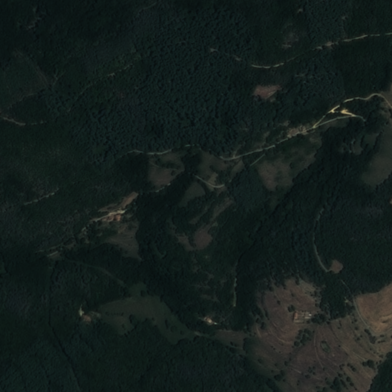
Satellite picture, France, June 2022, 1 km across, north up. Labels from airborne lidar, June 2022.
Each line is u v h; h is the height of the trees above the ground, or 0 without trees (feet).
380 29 28
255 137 33
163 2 40
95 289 64
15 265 84
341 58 55
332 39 85
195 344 49
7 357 56
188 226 33
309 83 93
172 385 46
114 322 0
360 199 45
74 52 18
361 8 48
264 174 0
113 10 56
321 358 0
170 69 108
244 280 73
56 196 55
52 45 31
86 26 38
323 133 49
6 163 36
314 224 35
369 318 0
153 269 34
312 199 39
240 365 52
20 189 44
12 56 50
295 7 66
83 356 76
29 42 59
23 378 82
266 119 87
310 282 18
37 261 61
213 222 22
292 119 80
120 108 70
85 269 45
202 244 0
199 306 46
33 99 25
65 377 80
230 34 118
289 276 21
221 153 87
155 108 117
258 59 37
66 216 31
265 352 0
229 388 36
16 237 28
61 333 50
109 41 33
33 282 33
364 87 48
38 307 19
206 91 105
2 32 67
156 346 57
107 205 35
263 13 60
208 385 46
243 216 50
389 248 31
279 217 69
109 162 95
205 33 96
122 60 31
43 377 85
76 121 101
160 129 75
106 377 82
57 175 41
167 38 117
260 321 27
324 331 0
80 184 59
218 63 93
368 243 38
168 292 70
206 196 26
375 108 74
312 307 0
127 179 56
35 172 26
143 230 50
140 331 77
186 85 117
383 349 0
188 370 69
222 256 29
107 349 64
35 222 49
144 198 59
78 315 49
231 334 0
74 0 68
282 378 27
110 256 70
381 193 35
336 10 89
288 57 39
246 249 66
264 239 72
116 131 118
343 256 25
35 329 46
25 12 52
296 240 42
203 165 0
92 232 39
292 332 0
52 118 49
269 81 33
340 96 36
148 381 99
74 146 45
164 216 64
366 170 38
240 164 0
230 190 75
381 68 33
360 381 0
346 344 0
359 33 33
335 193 49
